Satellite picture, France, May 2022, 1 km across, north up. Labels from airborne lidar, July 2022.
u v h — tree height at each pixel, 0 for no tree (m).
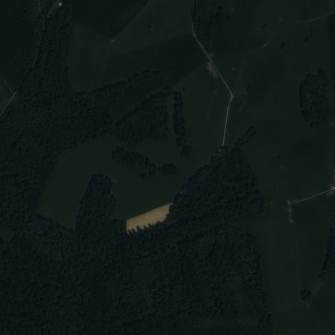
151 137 17
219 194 7
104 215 28
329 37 0
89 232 28
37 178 30
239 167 26
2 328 28
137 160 23
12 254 22
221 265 24
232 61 0
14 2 16
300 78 0
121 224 18
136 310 18
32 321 27
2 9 16
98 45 0
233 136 0
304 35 0
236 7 0
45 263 26
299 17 0
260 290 22
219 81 0
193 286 30
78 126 10
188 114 0
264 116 0
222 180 30
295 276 0
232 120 0
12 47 14
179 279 14
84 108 27
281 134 0
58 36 16
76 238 22
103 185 27
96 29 0
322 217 0
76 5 0
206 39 9
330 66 0
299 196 0
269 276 0
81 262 26
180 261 25
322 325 0
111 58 0
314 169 0
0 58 16
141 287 21
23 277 27
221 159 22
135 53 0
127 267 22
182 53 0
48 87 16
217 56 0
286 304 0
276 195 0
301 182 0
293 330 0
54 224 27
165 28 0
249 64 0
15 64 15
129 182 0
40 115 14
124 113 0
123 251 27
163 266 18
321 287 0
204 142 0
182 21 0
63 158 0
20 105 12
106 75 0
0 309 26
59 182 0
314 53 0
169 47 0
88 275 29
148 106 26
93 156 0
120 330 28
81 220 25
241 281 30
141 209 0
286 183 0
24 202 25
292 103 0
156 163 0
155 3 0
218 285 14
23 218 27
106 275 21
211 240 30
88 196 22
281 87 0
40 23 23
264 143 0
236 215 26
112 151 0
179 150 0
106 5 0
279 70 0
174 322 17
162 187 0
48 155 27
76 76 0
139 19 0
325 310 0
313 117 23
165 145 0
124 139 21
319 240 0
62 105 25
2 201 25
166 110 25
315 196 0
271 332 22
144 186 0
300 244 0
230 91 0
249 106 0
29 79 22
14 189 26
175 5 0
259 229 0
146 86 0
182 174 0
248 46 0
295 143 0
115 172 0
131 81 17
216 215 31
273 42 0
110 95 27
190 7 0
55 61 16
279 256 0
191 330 19
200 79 0
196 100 0
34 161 24
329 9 0
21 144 28
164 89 11
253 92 0
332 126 0
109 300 26
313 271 0
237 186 6
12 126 6
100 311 26
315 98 27
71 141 14
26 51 18
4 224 25
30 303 28
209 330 19
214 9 20
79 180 0
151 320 27
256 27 0
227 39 0
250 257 15
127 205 0
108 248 29
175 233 17
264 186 0
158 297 13
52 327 31
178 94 20
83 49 0
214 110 0
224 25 0
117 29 0
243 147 22
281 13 0
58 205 0
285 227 0
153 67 0
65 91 25
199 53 0
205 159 0
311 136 0
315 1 0
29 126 13
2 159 22
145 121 19
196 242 30
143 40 0
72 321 29
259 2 0
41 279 29
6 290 27
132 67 0
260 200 25
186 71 0
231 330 22
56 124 14
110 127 27
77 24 0
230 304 23
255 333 22
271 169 0
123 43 0
